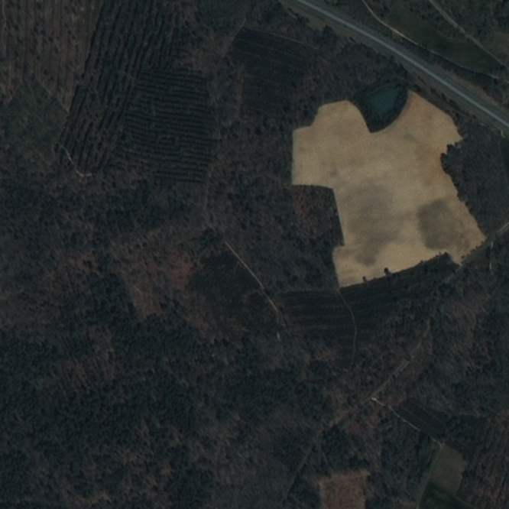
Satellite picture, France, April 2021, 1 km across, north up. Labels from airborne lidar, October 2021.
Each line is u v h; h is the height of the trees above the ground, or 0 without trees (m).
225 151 7
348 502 0
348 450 24
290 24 13
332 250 16
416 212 0
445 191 0
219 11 11
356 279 0
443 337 18
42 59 17
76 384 7
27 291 7
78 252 13
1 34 0
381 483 13
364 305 6
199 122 8
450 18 18
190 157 8
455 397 17
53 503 20
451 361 20
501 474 8
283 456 16
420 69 0
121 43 9
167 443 17
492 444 7
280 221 16
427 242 0
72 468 12
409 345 7
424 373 6
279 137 18
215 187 8
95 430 20
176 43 6
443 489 0
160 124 10
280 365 18
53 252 11
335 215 6
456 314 20
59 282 9
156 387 16
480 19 21
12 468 23
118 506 15
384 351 10
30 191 8
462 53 0
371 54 18
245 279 6
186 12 20
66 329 8
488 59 0
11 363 14
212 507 18
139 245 6
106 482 15
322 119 0
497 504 7
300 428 16
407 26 0
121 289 21
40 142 20
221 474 19
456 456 0
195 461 14
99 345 10
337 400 13
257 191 6
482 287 21
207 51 14
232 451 15
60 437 13
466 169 15
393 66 14
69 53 0
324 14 0
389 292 6
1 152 14
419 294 6
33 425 25
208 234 14
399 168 0
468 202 11
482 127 10
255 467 18
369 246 0
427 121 0
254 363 23
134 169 11
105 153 10
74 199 17
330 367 7
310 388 17
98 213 12
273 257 16
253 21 14
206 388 13
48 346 7
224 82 15
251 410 23
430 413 8
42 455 25
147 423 9
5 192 16
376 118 8
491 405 16
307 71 7
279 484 21
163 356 13
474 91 0
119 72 17
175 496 19
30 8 0
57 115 19
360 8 9
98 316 23
